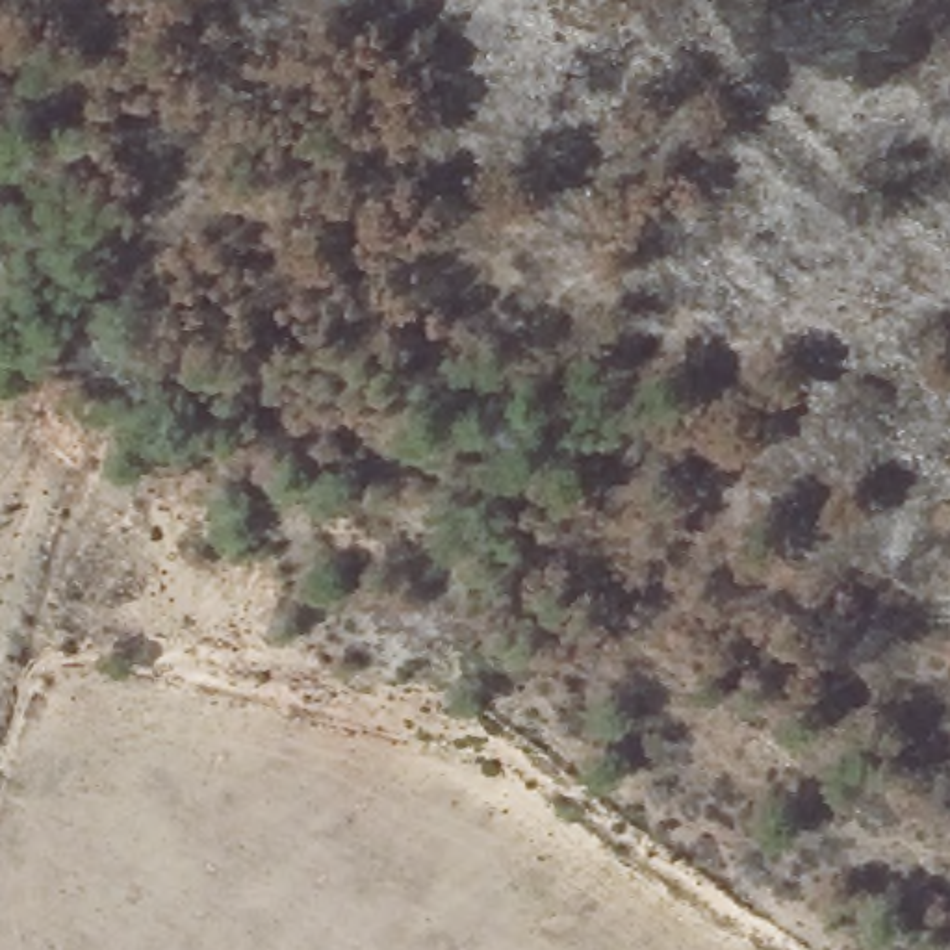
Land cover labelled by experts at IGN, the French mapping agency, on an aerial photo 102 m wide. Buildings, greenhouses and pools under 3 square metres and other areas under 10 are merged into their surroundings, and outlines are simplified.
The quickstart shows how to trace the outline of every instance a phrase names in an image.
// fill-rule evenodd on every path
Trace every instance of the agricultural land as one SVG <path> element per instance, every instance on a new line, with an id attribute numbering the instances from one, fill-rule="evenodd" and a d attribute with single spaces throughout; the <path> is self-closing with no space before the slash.
<path id="1" fill-rule="evenodd" d="M 208 486 L 200 471 L 141 475 L 137 482 L 122 486 L 111 482 L 108 460 L 115 453 L 115 434 L 104 427 L 85 427 L 100 401 L 85 401 L 74 382 L 48 382 L 41 390 L 0 401 L 0 950 L 753 950 L 750 928 L 713 928 L 690 905 L 672 898 L 661 883 L 649 883 L 646 876 L 631 872 L 616 854 L 605 857 L 605 865 L 597 865 L 571 854 L 542 854 L 538 839 L 523 831 L 520 820 L 494 824 L 494 805 L 471 805 L 456 787 L 423 790 L 416 787 L 416 779 L 401 779 L 393 772 L 397 746 L 382 746 L 371 738 L 334 738 L 319 727 L 304 727 L 301 720 L 289 720 L 289 705 L 278 698 L 230 694 L 189 679 L 178 679 L 178 687 L 160 687 L 100 675 L 100 661 L 108 661 L 115 646 L 130 635 L 130 627 L 119 620 L 119 605 L 134 601 L 152 575 L 163 575 L 156 560 L 137 557 L 141 546 L 163 538 L 163 527 L 152 523 L 148 512 L 152 497 L 174 490 L 178 501 L 200 505 L 208 512 L 226 497 L 226 490 Z"/>

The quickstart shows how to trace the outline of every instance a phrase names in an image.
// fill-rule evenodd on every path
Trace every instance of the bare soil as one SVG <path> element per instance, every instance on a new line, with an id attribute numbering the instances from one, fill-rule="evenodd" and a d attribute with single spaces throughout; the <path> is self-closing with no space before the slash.
<path id="1" fill-rule="evenodd" d="M 349 0 L 238 0 L 234 11 L 241 26 L 260 41 L 275 30 L 304 22 L 315 11 L 330 22 L 330 7 L 341 7 Z"/>
<path id="2" fill-rule="evenodd" d="M 846 854 L 857 865 L 846 872 L 842 891 L 850 898 L 883 898 L 887 909 L 879 931 L 891 935 L 894 950 L 950 950 L 950 809 L 935 809 L 920 794 L 909 794 L 902 783 L 894 783 L 883 802 L 894 809 L 898 828 L 872 835 L 861 824 L 842 824 L 839 839 L 854 842 Z"/>
<path id="3" fill-rule="evenodd" d="M 546 694 L 512 694 L 512 679 L 505 672 L 479 672 L 475 713 L 494 705 L 501 716 L 523 727 L 538 727 L 542 738 L 568 761 L 601 761 L 605 753 L 571 738 L 560 727 L 560 716 Z"/>
<path id="4" fill-rule="evenodd" d="M 108 661 L 100 661 L 100 675 L 160 687 L 178 687 L 178 679 L 189 679 L 230 694 L 278 698 L 289 705 L 289 720 L 301 720 L 304 727 L 319 727 L 334 738 L 371 738 L 382 746 L 397 746 L 393 772 L 401 779 L 416 779 L 416 787 L 423 790 L 456 787 L 471 805 L 494 805 L 494 824 L 520 820 L 523 831 L 538 839 L 542 854 L 571 854 L 597 865 L 605 865 L 605 857 L 616 854 L 631 872 L 646 876 L 649 883 L 661 883 L 672 898 L 690 905 L 713 928 L 750 928 L 753 950 L 846 950 L 850 939 L 842 931 L 824 928 L 835 917 L 835 891 L 816 887 L 805 872 L 794 902 L 776 898 L 742 865 L 742 831 L 727 831 L 731 816 L 742 816 L 735 794 L 761 790 L 768 768 L 798 768 L 805 776 L 798 790 L 787 790 L 779 783 L 768 790 L 772 809 L 787 820 L 794 835 L 828 824 L 831 809 L 820 798 L 816 776 L 846 753 L 846 746 L 831 731 L 794 727 L 794 720 L 776 701 L 764 698 L 757 679 L 742 679 L 735 694 L 727 694 L 713 709 L 679 705 L 672 713 L 672 720 L 687 724 L 690 731 L 687 742 L 638 742 L 635 735 L 623 735 L 620 742 L 609 742 L 605 753 L 612 757 L 623 779 L 616 787 L 597 787 L 590 794 L 583 783 L 571 783 L 571 776 L 549 776 L 538 764 L 531 764 L 516 738 L 497 738 L 471 716 L 449 716 L 449 698 L 460 690 L 460 653 L 434 653 L 427 638 L 438 635 L 434 616 L 404 601 L 401 594 L 382 590 L 382 538 L 371 538 L 349 520 L 327 520 L 315 512 L 308 516 L 297 505 L 271 531 L 249 534 L 238 523 L 241 557 L 249 564 L 189 564 L 182 560 L 178 542 L 189 531 L 189 523 L 204 520 L 208 512 L 200 505 L 178 501 L 174 490 L 152 497 L 148 512 L 152 523 L 163 527 L 163 538 L 141 546 L 137 557 L 156 560 L 163 575 L 152 575 L 134 601 L 119 605 L 119 620 L 130 627 L 130 635 L 115 646 Z M 345 594 L 330 605 L 327 616 L 301 605 L 315 564 L 330 564 L 330 571 L 338 575 L 338 590 Z"/>
<path id="5" fill-rule="evenodd" d="M 456 252 L 464 263 L 479 267 L 479 282 L 512 289 L 527 308 L 557 308 L 564 297 L 571 297 L 575 304 L 616 304 L 623 293 L 642 289 L 661 297 L 661 304 L 672 312 L 646 319 L 646 334 L 661 338 L 668 349 L 687 345 L 687 338 L 694 334 L 716 334 L 727 349 L 738 353 L 742 375 L 768 371 L 783 356 L 805 382 L 813 382 L 802 430 L 787 442 L 764 445 L 761 453 L 731 468 L 738 482 L 724 494 L 724 516 L 742 527 L 761 523 L 772 501 L 794 494 L 794 486 L 805 475 L 824 479 L 824 542 L 805 549 L 805 557 L 794 568 L 802 568 L 805 579 L 839 579 L 846 568 L 857 568 L 865 575 L 887 579 L 905 597 L 939 605 L 939 612 L 928 620 L 928 638 L 902 642 L 879 661 L 861 664 L 857 679 L 868 687 L 872 698 L 883 701 L 891 698 L 891 687 L 898 679 L 931 683 L 946 705 L 943 731 L 950 735 L 950 371 L 943 367 L 946 338 L 939 334 L 935 341 L 924 341 L 917 349 L 913 327 L 924 312 L 950 312 L 950 0 L 445 0 L 445 11 L 471 15 L 464 37 L 475 45 L 471 67 L 486 78 L 486 96 L 479 111 L 468 119 L 468 126 L 445 126 L 430 134 L 430 160 L 449 160 L 468 148 L 475 156 L 479 178 L 516 174 L 520 193 L 527 200 L 482 208 L 449 234 L 423 241 L 423 252 Z M 865 516 L 857 505 L 857 482 L 865 479 L 865 471 L 891 460 L 917 471 L 917 482 L 894 512 Z"/>

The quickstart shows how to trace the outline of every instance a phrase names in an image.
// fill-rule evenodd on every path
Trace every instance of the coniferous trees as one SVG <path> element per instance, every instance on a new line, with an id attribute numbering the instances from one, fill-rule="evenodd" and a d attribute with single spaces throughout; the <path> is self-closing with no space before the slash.
<path id="1" fill-rule="evenodd" d="M 865 471 L 865 479 L 857 482 L 857 505 L 865 516 L 894 512 L 917 482 L 917 471 L 891 460 Z"/>
<path id="2" fill-rule="evenodd" d="M 330 605 L 345 594 L 338 590 L 338 575 L 330 571 L 330 564 L 315 564 L 301 605 L 327 616 Z"/>
<path id="3" fill-rule="evenodd" d="M 516 174 L 479 178 L 475 156 L 468 148 L 449 160 L 430 160 L 430 134 L 445 126 L 468 126 L 468 119 L 479 111 L 486 96 L 486 78 L 471 67 L 475 45 L 464 37 L 471 15 L 445 11 L 445 0 L 349 0 L 341 7 L 330 7 L 330 22 L 315 11 L 304 22 L 275 30 L 260 41 L 241 26 L 234 11 L 238 0 L 0 0 L 0 401 L 41 390 L 48 382 L 74 382 L 85 401 L 100 401 L 85 427 L 104 427 L 115 434 L 115 453 L 108 460 L 111 482 L 122 486 L 137 482 L 141 475 L 200 471 L 208 486 L 226 490 L 226 497 L 208 512 L 204 520 L 189 523 L 189 531 L 178 542 L 182 560 L 189 564 L 249 564 L 241 557 L 238 523 L 249 534 L 271 531 L 297 505 L 308 516 L 315 512 L 327 520 L 349 520 L 371 538 L 382 538 L 382 590 L 401 594 L 404 601 L 434 616 L 438 635 L 427 638 L 434 653 L 460 653 L 460 690 L 449 698 L 449 716 L 471 716 L 497 738 L 516 738 L 531 764 L 538 764 L 549 776 L 571 776 L 571 783 L 583 783 L 590 794 L 597 787 L 616 787 L 623 779 L 612 757 L 605 753 L 609 742 L 620 742 L 623 735 L 635 735 L 638 742 L 687 742 L 690 731 L 687 724 L 672 720 L 672 713 L 679 705 L 713 709 L 727 694 L 735 694 L 742 679 L 757 679 L 764 698 L 776 701 L 794 720 L 794 727 L 831 731 L 846 746 L 846 753 L 816 776 L 820 798 L 831 809 L 828 824 L 794 835 L 787 820 L 772 809 L 768 790 L 779 783 L 787 790 L 798 790 L 805 776 L 798 768 L 768 768 L 761 790 L 735 794 L 742 816 L 731 816 L 727 831 L 742 831 L 742 865 L 776 898 L 794 902 L 805 872 L 816 887 L 835 891 L 835 917 L 824 928 L 842 931 L 850 939 L 846 950 L 894 950 L 891 935 L 879 931 L 887 909 L 883 898 L 850 898 L 842 891 L 846 872 L 857 865 L 846 854 L 854 842 L 839 839 L 842 824 L 861 824 L 872 835 L 898 828 L 894 809 L 883 802 L 894 783 L 902 783 L 909 794 L 920 794 L 935 809 L 950 809 L 950 735 L 943 731 L 946 705 L 931 683 L 898 679 L 891 687 L 891 698 L 883 701 L 872 698 L 868 687 L 857 679 L 861 664 L 879 661 L 902 642 L 928 638 L 928 620 L 939 612 L 939 605 L 905 597 L 887 579 L 865 575 L 857 568 L 846 568 L 839 579 L 805 579 L 802 568 L 794 568 L 805 557 L 805 549 L 824 542 L 824 479 L 805 475 L 794 486 L 794 494 L 772 501 L 761 523 L 742 527 L 724 516 L 724 494 L 738 482 L 731 468 L 761 453 L 764 445 L 787 442 L 802 430 L 813 382 L 805 382 L 783 356 L 768 371 L 742 375 L 738 353 L 727 349 L 716 334 L 694 334 L 687 338 L 687 345 L 668 349 L 661 338 L 646 334 L 646 319 L 672 312 L 661 304 L 661 297 L 642 289 L 623 293 L 616 304 L 575 304 L 571 297 L 564 297 L 557 308 L 527 308 L 512 289 L 479 282 L 479 267 L 464 263 L 456 252 L 423 252 L 423 241 L 449 234 L 482 208 L 527 200 L 520 193 Z M 512 679 L 512 694 L 546 694 L 560 716 L 560 727 L 571 738 L 605 753 L 601 761 L 568 761 L 542 738 L 538 727 L 523 727 L 501 716 L 494 705 L 475 713 L 479 672 L 505 672 Z"/>
<path id="4" fill-rule="evenodd" d="M 913 327 L 917 349 L 924 341 L 935 341 L 939 334 L 946 338 L 943 367 L 950 371 L 950 312 L 924 312 Z"/>

